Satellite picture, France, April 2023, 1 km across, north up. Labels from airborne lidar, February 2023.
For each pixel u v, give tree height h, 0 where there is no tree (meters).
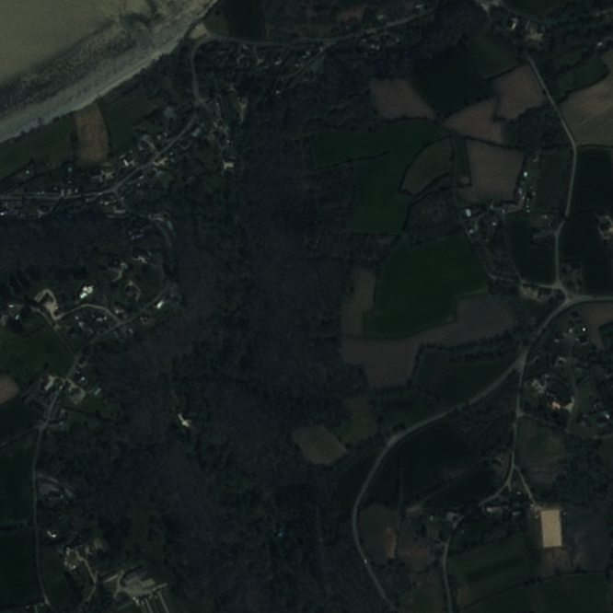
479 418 7
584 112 0
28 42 0
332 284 13
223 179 8
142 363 29
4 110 0
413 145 0
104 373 19
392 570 6
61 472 14
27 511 0
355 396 15
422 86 0
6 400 0
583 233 0
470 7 16
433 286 0
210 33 0
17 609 5
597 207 0
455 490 0
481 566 0
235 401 22
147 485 25
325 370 15
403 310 0
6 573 0
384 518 0
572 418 0
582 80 0
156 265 12
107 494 22
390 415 0
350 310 0
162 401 23
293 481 23
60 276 18
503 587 0
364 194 0
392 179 0
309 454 0
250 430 22
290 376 20
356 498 0
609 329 9
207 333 36
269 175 17
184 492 27
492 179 0
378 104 0
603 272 0
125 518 21
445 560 0
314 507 24
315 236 10
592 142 0
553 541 0
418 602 0
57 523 0
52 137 0
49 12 0
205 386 27
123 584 0
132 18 0
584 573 7
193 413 12
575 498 21
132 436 26
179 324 23
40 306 6
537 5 0
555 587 0
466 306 0
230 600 23
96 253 13
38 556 6
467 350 10
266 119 11
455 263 0
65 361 0
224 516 22
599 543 0
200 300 22
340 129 8
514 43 12
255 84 16
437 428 0
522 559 0
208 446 15
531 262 0
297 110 13
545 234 0
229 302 29
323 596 24
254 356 26
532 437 0
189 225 18
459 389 0
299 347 17
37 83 0
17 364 0
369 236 6
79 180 6
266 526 9
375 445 13
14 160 0
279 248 22
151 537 11
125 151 0
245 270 21
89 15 0
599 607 0
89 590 0
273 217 21
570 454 12
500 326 0
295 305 15
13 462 0
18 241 13
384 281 0
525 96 0
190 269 27
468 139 6
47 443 18
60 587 0
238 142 7
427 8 7
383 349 0
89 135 0
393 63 15
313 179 9
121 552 11
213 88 13
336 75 12
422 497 9
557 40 12
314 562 26
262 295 21
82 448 19
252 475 26
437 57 21
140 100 0
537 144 14
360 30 9
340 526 14
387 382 0
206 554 25
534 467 0
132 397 22
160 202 9
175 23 0
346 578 19
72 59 0
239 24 0
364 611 22
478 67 0
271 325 21
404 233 9
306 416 19
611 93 0
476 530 0
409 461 0
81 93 0
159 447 25
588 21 9
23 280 18
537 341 12
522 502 6
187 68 8
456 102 0
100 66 0
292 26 7
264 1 10
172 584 0
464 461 0
